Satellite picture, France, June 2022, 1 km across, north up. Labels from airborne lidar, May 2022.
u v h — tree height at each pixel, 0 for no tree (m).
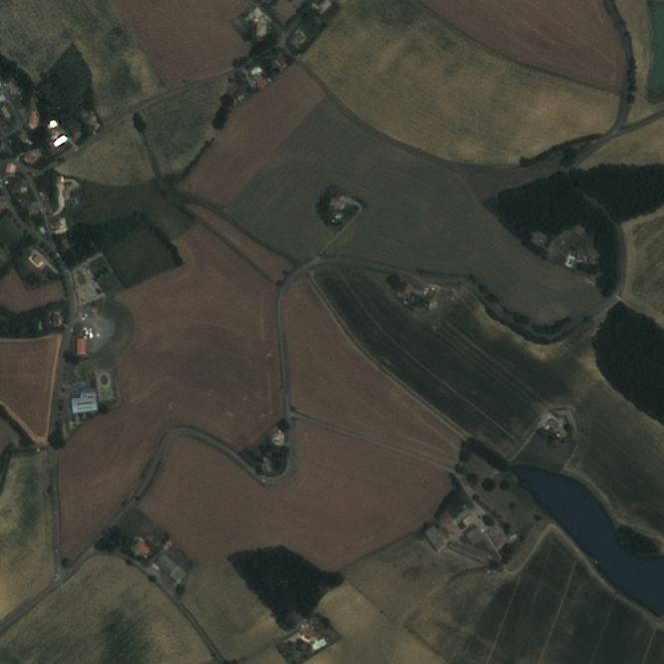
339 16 0
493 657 0
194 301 0
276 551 13
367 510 0
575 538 0
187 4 0
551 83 0
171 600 0
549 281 0
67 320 7
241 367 0
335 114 0
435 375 0
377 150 0
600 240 20
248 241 0
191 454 0
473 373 0
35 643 0
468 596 0
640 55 0
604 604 0
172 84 0
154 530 0
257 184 0
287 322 0
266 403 0
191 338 0
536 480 0
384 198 0
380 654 0
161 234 9
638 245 0
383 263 0
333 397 0
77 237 13
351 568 0
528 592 0
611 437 0
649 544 13
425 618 0
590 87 0
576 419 0
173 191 0
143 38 0
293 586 17
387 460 0
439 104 0
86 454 0
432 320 0
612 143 0
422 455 0
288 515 0
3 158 14
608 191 23
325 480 0
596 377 0
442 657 0
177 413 0
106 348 0
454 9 0
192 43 0
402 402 0
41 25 0
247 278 0
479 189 0
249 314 0
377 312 0
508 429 0
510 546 15
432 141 0
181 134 0
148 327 0
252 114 0
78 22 0
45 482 0
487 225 0
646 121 0
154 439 0
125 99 0
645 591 0
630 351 16
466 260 0
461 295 0
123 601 0
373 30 0
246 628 0
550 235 14
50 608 0
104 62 0
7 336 12
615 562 0
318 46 0
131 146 0
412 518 0
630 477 0
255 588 17
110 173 0
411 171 0
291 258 0
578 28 0
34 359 0
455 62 0
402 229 0
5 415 9
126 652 0
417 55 0
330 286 0
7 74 13
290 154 0
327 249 0
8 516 0
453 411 0
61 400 6
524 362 0
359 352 0
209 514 0
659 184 19
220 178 0
